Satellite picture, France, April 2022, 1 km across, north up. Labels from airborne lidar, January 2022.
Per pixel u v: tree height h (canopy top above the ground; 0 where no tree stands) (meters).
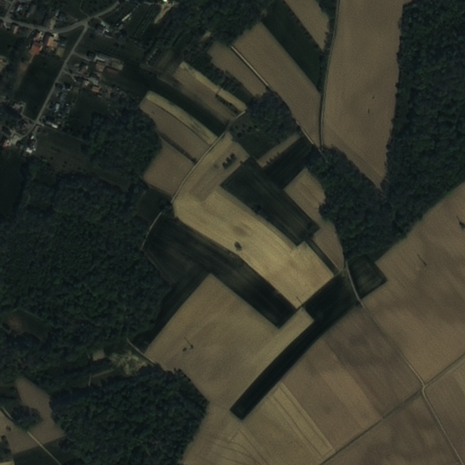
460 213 0
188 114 0
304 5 0
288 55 0
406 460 0
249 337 0
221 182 0
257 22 21
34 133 0
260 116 26
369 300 0
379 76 0
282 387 0
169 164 0
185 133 0
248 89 0
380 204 31
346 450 0
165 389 25
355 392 0
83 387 0
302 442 0
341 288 0
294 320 0
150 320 26
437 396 0
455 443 0
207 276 0
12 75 20
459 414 0
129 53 0
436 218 0
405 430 0
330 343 0
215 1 34
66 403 34
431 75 29
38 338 0
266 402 0
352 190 28
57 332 17
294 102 0
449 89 26
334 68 0
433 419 0
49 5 17
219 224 0
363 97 0
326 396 0
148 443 29
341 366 0
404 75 8
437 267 0
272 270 0
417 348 0
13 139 0
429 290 0
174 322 0
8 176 0
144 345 11
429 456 0
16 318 0
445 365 0
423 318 0
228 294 0
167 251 0
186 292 0
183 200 0
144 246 23
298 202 0
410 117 10
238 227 0
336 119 0
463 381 0
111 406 31
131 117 27
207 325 0
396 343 0
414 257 0
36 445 0
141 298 23
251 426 0
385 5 0
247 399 0
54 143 0
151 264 18
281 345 0
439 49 15
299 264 0
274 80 0
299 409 0
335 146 0
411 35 14
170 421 31
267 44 0
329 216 22
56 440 0
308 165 20
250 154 0
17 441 0
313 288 0
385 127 0
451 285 0
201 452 0
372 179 0
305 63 0
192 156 0
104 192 30
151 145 21
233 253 0
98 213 34
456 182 19
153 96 0
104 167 16
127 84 0
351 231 32
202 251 0
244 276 0
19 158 0
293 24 0
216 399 0
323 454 0
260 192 0
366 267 0
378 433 0
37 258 18
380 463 0
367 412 0
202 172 0
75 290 24
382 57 0
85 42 0
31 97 0
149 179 0
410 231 23
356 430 0
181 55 0
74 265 19
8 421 0
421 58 26
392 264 0
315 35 0
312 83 0
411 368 0
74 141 0
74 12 0
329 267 0
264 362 0
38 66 0
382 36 0
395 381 0
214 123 0
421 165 27
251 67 0
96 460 29
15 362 37
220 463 0
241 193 0
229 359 0
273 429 0
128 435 30
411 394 0
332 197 24
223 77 14
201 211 0
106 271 14
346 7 0
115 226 31
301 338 0
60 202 28
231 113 0
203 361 0
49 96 0
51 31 0
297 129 15
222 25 23
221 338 0
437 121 33
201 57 0
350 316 0
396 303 0
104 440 33
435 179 25
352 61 0
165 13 0
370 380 0
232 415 0
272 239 0
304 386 0
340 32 0
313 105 0
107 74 0
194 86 0
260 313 0
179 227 0
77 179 15
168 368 0
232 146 0
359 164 0
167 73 0
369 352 0
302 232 0
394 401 0
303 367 0
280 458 0
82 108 0
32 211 22
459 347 0
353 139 0
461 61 24
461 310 0
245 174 0
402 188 29
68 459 0
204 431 0
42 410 0
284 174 0
